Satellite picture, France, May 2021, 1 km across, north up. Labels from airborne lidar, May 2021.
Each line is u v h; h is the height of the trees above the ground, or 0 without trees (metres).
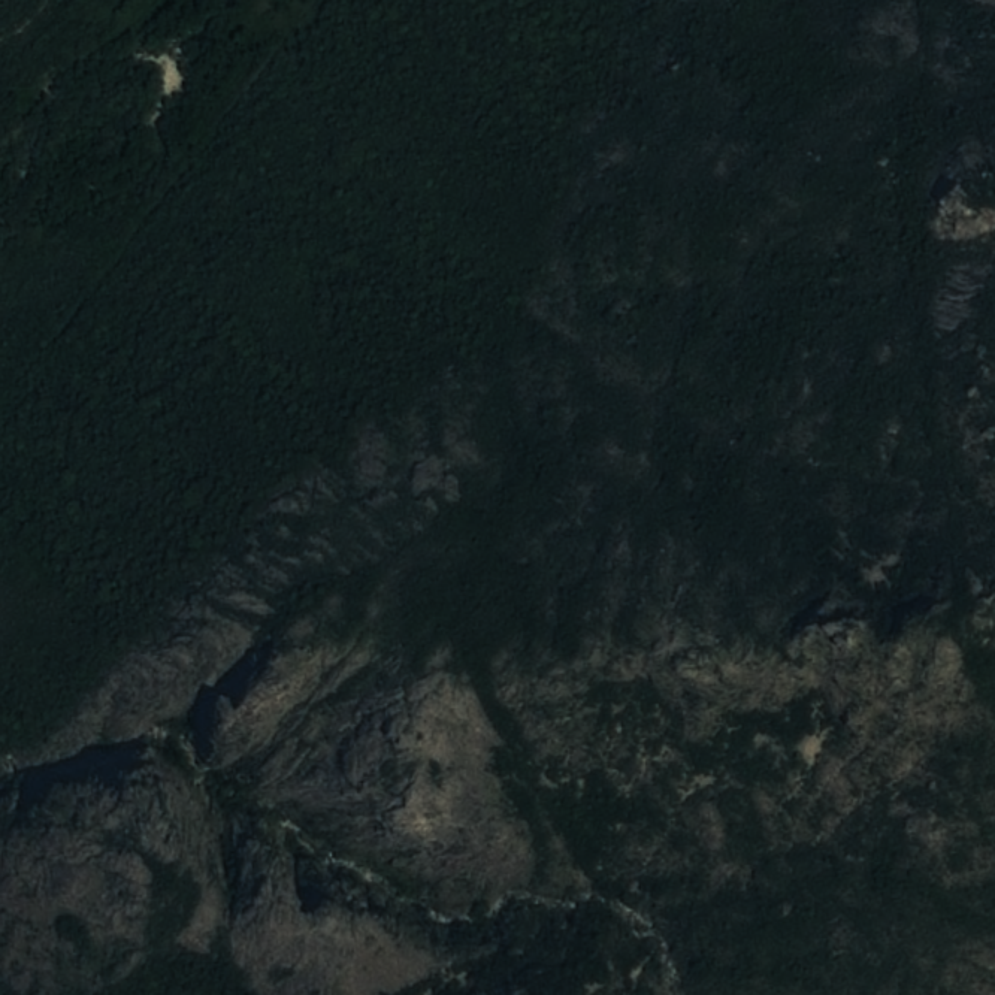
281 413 10
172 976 11
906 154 9
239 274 8
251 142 12
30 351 11
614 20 10
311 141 9
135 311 12
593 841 7
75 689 12
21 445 14
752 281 6
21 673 12
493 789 0
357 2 12
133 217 13
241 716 0
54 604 6
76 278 5
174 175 11
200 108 22
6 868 0
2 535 9
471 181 8
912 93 6
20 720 10
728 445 6
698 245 8
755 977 7
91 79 19
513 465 6
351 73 11
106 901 0
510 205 8
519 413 7
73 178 19
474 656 8
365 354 12
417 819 0
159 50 15
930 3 7
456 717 0
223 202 11
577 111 10
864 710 0
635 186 7
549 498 6
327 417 11
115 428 12
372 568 6
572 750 6
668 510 7
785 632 6
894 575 6
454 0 10
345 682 7
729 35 6
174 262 11
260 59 6
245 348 16
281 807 7
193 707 12
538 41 11
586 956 6
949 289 0
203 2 22
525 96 15
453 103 10
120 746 9
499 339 6
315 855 7
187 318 10
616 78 8
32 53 9
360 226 7
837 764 0
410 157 9
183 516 9
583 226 7
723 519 8
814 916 6
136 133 21
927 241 12
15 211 17
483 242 8
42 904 0
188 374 9
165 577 6
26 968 0
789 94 7
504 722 7
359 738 0
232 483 10
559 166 11
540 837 6
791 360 6
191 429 13
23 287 8
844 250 12
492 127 13
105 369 13
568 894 6
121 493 7
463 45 12
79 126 11
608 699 8
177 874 6
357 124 10
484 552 7
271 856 6
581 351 6
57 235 14
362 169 10
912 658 0
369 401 11
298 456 12
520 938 8
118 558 10
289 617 10
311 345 8
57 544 15
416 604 6
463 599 5
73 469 11
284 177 7
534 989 6
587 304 8
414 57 10
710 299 10
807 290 7
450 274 14
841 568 6
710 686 8
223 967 10
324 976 0
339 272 10
